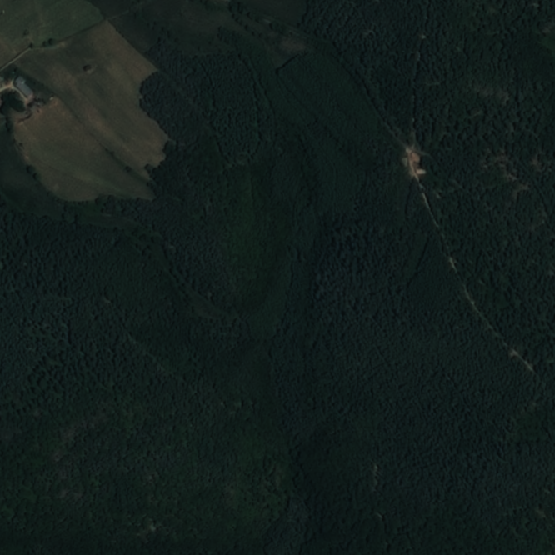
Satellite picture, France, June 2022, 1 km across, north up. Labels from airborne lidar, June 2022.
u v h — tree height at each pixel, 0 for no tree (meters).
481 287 16
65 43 0
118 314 26
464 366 21
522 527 17
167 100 18
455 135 17
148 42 0
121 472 17
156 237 13
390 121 21
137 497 12
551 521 10
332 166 17
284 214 22
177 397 23
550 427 8
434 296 16
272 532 18
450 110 14
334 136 21
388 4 21
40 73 0
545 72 25
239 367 19
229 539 19
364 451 15
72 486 14
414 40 16
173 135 18
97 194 0
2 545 24
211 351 23
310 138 16
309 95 20
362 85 12
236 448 22
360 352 22
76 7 0
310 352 16
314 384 15
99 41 0
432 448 21
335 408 18
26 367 21
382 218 16
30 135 0
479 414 15
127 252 21
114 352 24
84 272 24
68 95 0
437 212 12
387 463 14
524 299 26
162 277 20
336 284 25
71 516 18
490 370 20
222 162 12
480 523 19
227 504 10
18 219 17
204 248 15
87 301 23
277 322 16
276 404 25
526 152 18
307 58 15
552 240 11
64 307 18
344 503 22
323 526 23
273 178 20
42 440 6
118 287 20
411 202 11
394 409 24
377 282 25
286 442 16
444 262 17
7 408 13
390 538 19
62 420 10
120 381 20
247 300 14
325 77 17
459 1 19
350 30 15
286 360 18
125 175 0
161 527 12
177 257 15
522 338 20
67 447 9
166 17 0
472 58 22
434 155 16
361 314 29
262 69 16
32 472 9
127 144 0
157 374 19
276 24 10
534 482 26
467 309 9
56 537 13
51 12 0
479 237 12
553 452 23
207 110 15
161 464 15
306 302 18
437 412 24
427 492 19
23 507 10
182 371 11
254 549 21
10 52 0
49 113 0
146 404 10
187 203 15
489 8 11
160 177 16
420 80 25
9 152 0
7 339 19
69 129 0
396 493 16
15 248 15
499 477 17
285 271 24
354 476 16
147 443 16
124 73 0
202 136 14
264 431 20
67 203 12
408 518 17
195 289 20
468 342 22
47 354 19
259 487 8
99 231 25
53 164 0
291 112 14
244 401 21
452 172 15
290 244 15
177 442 15
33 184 0
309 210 25
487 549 19
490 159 18
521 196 17
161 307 21
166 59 6
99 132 0
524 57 25
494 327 15
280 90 12
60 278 19
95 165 0
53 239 23
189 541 17
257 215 11
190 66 15
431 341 22
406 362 21
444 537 12
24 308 20
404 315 22
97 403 14
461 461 23
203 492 12
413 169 0
